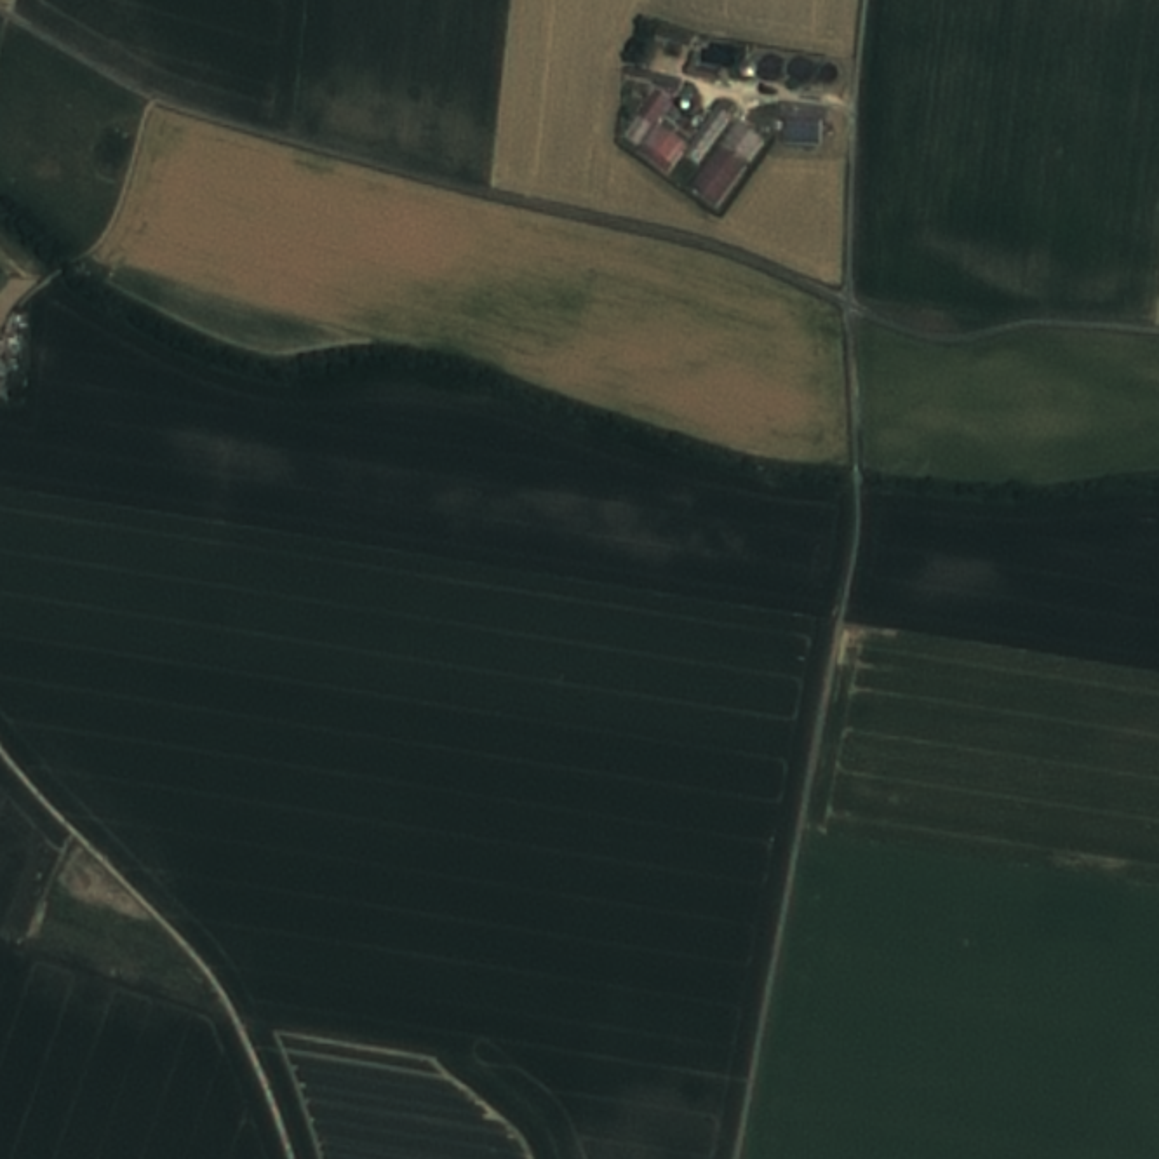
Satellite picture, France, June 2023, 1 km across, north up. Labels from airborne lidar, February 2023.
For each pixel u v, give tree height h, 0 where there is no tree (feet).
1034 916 0
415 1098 0
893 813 0
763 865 0
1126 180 0
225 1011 0
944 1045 0
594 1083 0
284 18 0
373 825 0
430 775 0
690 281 0
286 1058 0
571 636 0
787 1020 0
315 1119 0
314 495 0
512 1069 0
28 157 0
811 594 0
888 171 0
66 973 0
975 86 0
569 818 0
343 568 0
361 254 0
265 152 0
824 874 0
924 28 0
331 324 0
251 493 0
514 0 0
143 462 0
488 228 0
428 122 0
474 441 0
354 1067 0
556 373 0
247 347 0
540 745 0
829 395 0
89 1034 0
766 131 0
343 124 0
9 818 0
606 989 0
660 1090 0
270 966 0
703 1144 0
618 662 0
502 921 0
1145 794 0
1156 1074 0
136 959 0
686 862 0
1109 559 0
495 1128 0
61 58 0
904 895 0
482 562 0
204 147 0
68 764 0
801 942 0
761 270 0
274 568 0
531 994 0
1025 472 0
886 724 0
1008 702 0
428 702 0
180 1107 0
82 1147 0
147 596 0
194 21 0
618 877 0
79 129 0
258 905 0
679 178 0
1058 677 0
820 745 0
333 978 0
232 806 0
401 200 0
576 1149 0
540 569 0
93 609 0
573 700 0
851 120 0
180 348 30
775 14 0
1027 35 0
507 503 0
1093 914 0
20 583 0
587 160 0
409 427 0
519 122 0
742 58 24
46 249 56
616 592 0
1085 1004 0
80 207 0
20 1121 0
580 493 0
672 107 0
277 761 0
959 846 0
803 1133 0
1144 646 0
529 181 0
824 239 0
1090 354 0
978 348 0
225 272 0
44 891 0
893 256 0
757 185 0
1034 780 0
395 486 0
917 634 0
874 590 0
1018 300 0
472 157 0
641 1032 0
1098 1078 0
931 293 0
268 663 0
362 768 0
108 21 0
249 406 0
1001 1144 0
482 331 0
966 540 0
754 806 0
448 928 0
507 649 0
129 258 0
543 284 0
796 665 0
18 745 0
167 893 0
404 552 0
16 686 0
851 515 0
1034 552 0
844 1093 0
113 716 0
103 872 0
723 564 0
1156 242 0
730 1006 0
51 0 0
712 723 0
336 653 0
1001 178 0
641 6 0
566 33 0
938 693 0
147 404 0
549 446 0
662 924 0
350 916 0
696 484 0
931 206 0
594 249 0
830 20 0
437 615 0
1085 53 0
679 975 0
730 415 0
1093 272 0
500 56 0
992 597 0
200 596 0
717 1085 0
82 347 0
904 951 0
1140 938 0
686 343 0
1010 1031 0
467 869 0
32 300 0
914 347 0
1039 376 0
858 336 0
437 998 0
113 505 0
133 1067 0
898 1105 0
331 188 0
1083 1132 0
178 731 0
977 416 0
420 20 0
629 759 0
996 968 0
